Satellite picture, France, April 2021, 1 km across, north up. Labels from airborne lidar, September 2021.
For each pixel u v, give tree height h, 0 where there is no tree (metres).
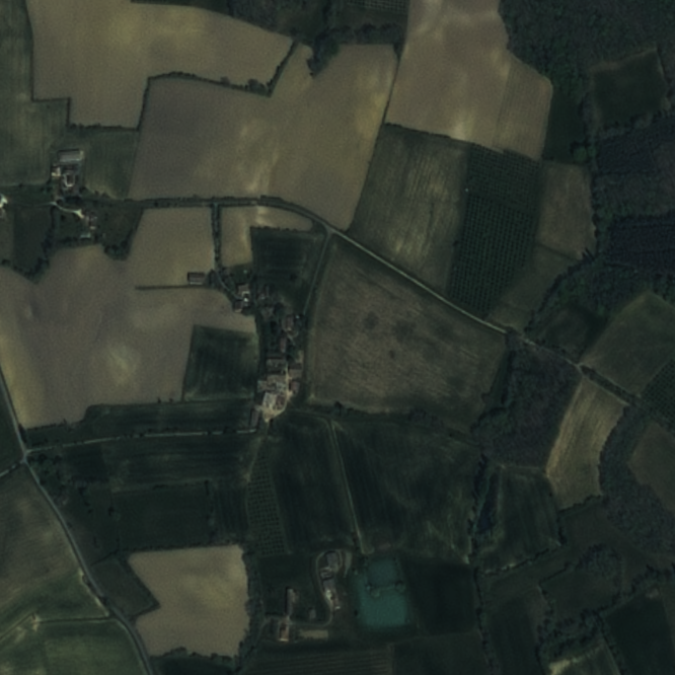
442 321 0
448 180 0
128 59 0
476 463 0
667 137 10
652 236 16
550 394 15
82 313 0
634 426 17
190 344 0
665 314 0
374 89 0
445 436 12
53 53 0
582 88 26
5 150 0
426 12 0
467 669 0
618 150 11
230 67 0
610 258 11
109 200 9
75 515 0
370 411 0
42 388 0
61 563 0
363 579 0
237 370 0
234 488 0
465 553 0
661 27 20
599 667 0
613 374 0
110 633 0
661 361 0
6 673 0
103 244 14
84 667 0
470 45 0
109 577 0
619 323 0
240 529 0
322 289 0
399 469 0
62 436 0
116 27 0
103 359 0
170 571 0
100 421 0
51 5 0
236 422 0
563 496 0
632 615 0
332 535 0
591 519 0
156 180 0
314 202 0
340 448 0
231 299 11
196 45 0
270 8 18
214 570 0
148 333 0
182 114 0
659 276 15
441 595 0
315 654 0
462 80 0
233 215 0
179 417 0
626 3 16
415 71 0
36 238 0
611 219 20
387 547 0
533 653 0
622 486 21
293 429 0
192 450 0
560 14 22
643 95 0
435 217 0
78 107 0
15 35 0
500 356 0
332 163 0
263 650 0
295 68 0
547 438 18
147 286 0
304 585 0
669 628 0
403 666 0
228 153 0
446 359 0
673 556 13
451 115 0
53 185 7
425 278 0
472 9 0
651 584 13
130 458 0
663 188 18
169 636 0
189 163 0
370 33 20
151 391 0
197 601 0
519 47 19
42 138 0
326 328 0
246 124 0
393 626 0
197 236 0
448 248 0
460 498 0
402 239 0
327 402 0
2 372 0
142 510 0
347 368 0
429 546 0
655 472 0
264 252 0
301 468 0
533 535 0
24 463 0
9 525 0
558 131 0
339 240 0
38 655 0
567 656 15
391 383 0
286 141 0
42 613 0
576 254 0
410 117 0
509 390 19
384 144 0
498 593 0
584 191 0
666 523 23
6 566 0
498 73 0
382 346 0
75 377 0
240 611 0
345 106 0
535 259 0
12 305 0
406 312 0
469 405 0
